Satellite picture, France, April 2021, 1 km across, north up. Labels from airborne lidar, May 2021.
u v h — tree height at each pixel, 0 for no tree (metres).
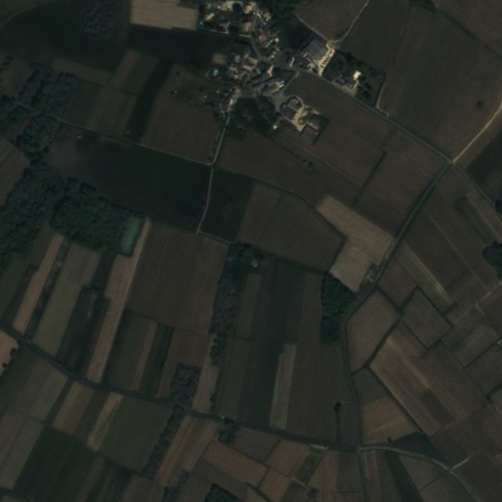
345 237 0
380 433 0
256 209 0
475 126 0
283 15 11
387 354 0
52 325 0
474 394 0
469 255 0
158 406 0
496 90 0
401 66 0
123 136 0
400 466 0
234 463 0
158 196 0
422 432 11
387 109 0
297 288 0
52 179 10
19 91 0
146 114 0
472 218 0
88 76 0
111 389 0
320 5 0
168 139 0
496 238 0
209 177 0
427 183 0
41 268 0
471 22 0
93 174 0
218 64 0
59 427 0
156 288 0
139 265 0
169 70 0
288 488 0
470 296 0
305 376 0
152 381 0
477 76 0
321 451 0
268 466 0
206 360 0
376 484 0
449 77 0
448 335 0
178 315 0
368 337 0
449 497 0
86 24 7
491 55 0
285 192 0
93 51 0
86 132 0
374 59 0
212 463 0
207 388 0
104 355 0
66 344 0
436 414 0
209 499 14
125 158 0
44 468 0
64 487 0
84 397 0
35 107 19
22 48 0
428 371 0
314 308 0
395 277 0
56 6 0
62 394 0
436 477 0
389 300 0
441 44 0
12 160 0
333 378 0
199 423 0
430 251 0
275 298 0
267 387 0
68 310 0
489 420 0
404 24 0
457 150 0
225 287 11
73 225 13
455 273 0
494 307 0
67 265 0
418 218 0
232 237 0
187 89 0
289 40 0
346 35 0
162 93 0
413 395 0
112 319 0
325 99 0
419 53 0
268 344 0
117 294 0
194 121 0
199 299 0
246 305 0
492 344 0
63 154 0
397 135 0
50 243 0
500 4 0
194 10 0
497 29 0
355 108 0
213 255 0
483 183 0
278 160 0
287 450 0
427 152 0
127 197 0
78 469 0
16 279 0
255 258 0
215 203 0
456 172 0
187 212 0
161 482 0
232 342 0
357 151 0
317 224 0
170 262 0
